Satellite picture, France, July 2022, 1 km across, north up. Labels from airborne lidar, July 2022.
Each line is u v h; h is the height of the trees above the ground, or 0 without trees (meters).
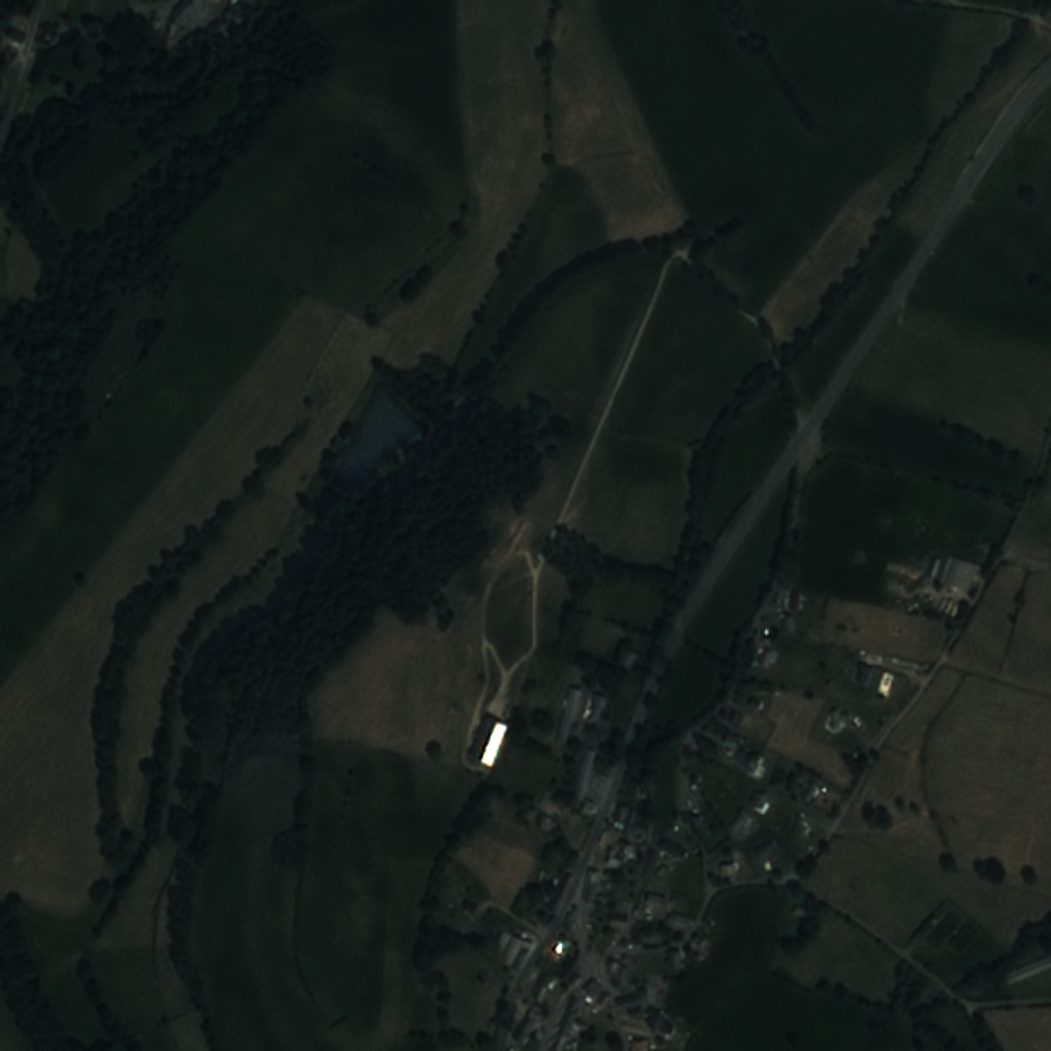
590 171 0
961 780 0
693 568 22
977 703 0
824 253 0
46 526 0
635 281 0
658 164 0
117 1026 18
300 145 0
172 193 27
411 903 0
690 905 0
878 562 0
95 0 0
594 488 0
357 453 0
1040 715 0
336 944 0
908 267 0
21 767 0
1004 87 0
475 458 14
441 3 0
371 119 0
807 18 0
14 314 17
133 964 0
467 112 0
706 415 0
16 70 0
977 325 0
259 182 0
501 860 0
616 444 0
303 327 0
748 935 0
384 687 0
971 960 0
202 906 0
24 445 10
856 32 0
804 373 0
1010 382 0
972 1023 7
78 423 8
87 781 0
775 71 13
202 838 23
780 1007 0
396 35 0
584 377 0
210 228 0
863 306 0
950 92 0
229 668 23
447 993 14
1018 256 0
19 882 0
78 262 22
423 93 0
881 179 0
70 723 0
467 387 13
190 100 16
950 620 7
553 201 0
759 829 0
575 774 7
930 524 0
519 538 0
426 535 23
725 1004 0
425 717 0
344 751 0
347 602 15
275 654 16
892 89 0
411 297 15
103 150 0
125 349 0
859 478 0
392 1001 0
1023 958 6
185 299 0
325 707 0
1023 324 0
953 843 0
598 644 0
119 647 19
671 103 0
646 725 6
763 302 0
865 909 0
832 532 0
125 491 0
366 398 0
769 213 0
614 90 0
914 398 0
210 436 0
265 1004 0
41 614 0
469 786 0
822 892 0
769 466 0
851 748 0
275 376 0
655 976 0
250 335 0
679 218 0
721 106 0
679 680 0
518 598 0
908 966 8
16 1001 24
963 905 0
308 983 0
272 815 0
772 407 0
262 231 0
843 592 0
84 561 0
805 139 0
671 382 0
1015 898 0
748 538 0
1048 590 0
